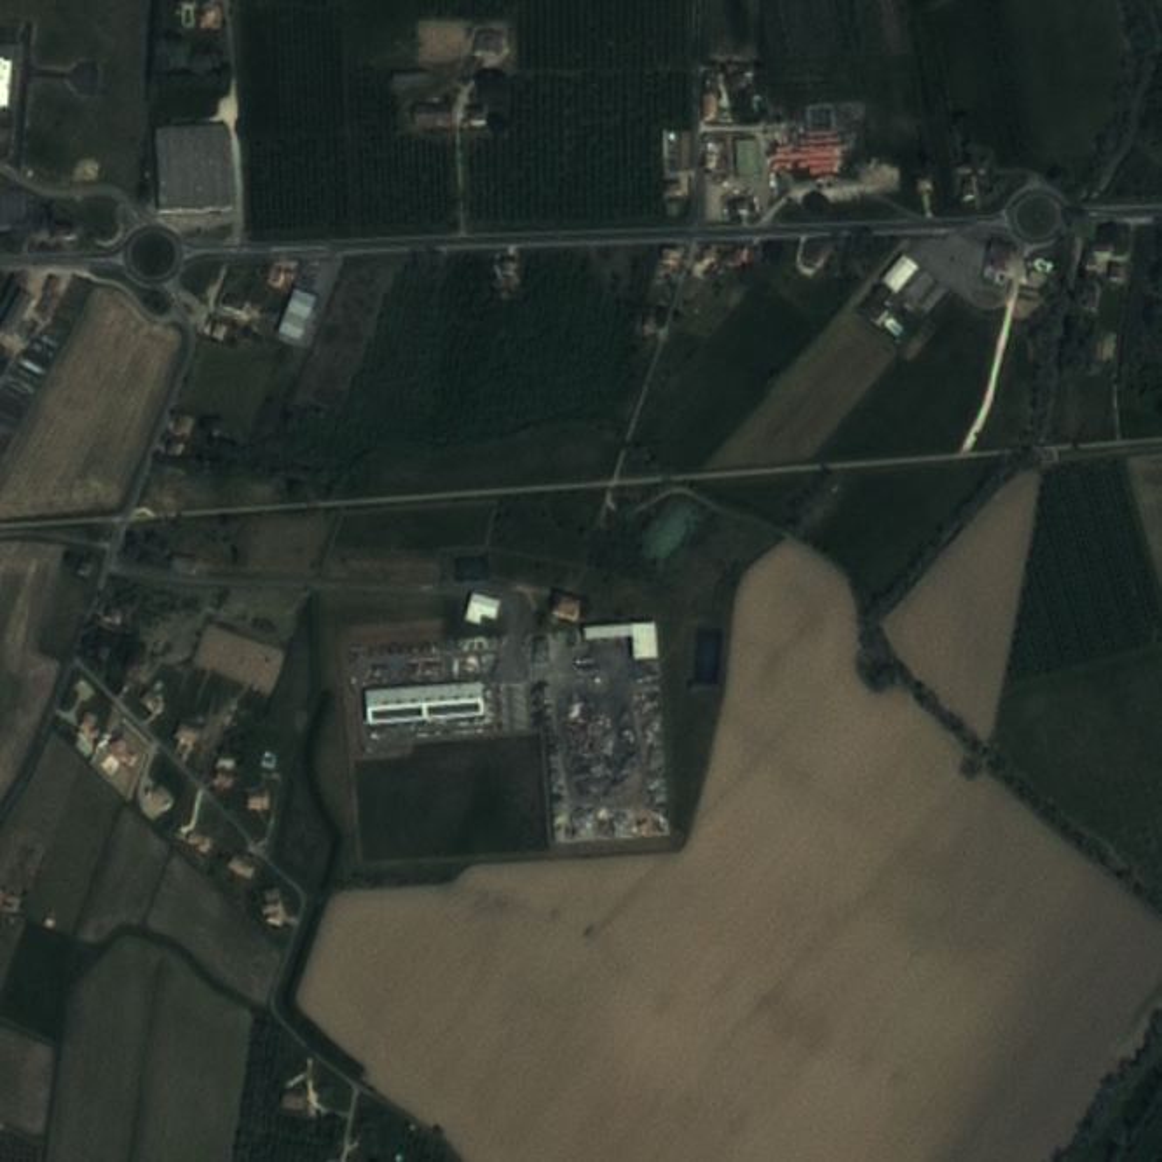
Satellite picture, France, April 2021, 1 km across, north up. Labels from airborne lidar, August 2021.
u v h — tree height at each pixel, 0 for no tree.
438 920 0
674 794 0
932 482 0
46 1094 0
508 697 0
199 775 0
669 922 0
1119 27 0
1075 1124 0
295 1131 6
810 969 0
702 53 0
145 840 0
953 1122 0
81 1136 0
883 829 0
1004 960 0
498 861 0
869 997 0
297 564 0
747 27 0
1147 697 0
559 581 6
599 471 0
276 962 0
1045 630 8
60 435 0
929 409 0
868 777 0
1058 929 0
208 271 0
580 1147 0
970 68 0
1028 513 0
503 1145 0
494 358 6
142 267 0
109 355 0
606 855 0
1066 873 0
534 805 0
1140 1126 12
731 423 0
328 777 0
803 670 0
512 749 0
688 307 9
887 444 0
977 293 0
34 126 0
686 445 0
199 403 0
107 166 0
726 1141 0
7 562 0
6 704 0
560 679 0
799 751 0
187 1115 0
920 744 0
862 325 0
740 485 0
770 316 0
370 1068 0
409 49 0
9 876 0
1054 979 0
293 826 0
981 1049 0
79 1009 0
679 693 0
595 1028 0
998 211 0
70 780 0
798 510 13
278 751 0
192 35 0
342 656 0
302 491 10
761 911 0
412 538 0
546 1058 0
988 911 0
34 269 0
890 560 0
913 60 0
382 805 0
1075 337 15
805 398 0
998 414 0
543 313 6
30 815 0
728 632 0
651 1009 0
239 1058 0
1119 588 7
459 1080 0
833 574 0
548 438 0
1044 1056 0
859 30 6
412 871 0
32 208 0
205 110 0
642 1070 0
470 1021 0
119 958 0
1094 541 6
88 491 0
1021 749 0
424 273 15
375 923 0
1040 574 7
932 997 0
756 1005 0
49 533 0
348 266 0
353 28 0
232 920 0
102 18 0
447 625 0
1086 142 0
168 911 0
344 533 0
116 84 0
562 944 0
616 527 8
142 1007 0
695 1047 0
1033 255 0
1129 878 12
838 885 0
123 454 0
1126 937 0
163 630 0
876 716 0
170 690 0
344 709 0
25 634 0
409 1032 0
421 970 0
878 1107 0
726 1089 0
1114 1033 0
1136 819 0
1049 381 14
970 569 0
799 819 0
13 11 0
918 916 0
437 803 0
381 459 0
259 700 0
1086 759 0
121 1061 0
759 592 0
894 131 0
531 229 0
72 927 0
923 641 0
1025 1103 0
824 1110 0
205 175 0
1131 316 6
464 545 0
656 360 0
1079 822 0
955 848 0
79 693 0
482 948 0
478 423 5
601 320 6
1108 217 0
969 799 0
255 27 0
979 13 0
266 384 0
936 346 0
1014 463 11
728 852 0
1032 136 0
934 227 0
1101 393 0
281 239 0
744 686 0
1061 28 0
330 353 0
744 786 0
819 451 0
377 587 0
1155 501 0
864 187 0
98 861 0
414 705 0
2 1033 0
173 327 0
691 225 0
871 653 19
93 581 0
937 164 14
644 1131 0
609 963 0
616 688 0
